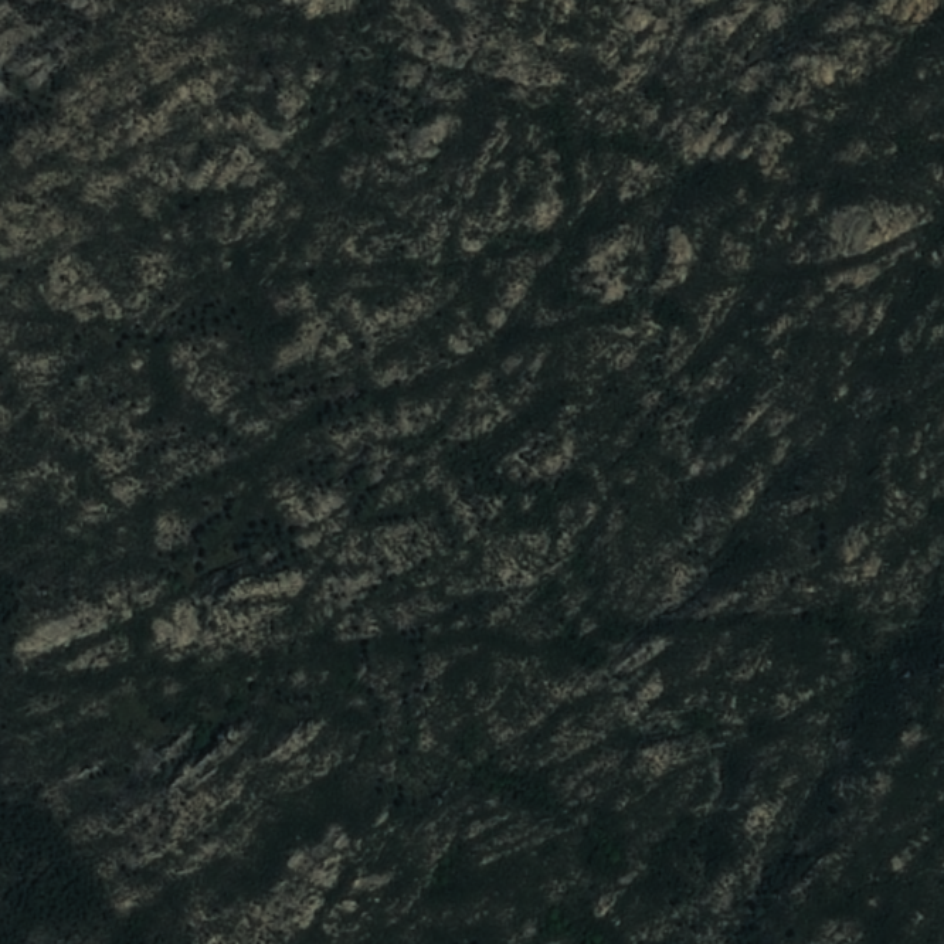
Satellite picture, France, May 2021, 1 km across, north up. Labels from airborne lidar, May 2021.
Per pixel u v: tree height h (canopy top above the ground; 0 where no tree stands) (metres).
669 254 6
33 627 0
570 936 8
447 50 0
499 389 7
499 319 0
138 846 11
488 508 8
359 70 21
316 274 21
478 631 11
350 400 29
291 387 26
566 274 8
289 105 0
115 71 0
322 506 0
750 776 6
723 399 8
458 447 7
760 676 6
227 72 0
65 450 9
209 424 6
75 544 5
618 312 8
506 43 0
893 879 7
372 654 23
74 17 7
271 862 6
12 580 6
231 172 0
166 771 19
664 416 9
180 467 6
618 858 12
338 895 7
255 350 6
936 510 12
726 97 7
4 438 6
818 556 18
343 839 0
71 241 0
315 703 32
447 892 8
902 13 0
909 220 0
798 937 24
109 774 25
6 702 6
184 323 21
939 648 8
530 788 10
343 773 6
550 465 0
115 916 12
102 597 7
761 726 6
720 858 8
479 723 6
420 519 17
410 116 23
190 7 0
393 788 22
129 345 28
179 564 37
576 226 6
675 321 9
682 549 6
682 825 10
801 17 7
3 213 0
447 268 9
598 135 8
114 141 0
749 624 7
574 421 7
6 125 12
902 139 8
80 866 11
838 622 15
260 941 6
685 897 6
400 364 0
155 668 8
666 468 8
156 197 0
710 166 8
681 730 8
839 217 0
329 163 7
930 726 8
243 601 9
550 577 7
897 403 13
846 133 7
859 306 0
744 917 10
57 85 11
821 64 0
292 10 8
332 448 0
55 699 7
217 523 28
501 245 6
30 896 13
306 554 22
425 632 21
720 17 0
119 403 20
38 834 12
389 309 14
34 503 8
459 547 24
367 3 10
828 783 9
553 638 6
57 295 0
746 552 9
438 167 26
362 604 16
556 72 0
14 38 0
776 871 18
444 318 20
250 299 9
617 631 10
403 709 7
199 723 7
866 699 6
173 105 0
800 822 6
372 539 6
